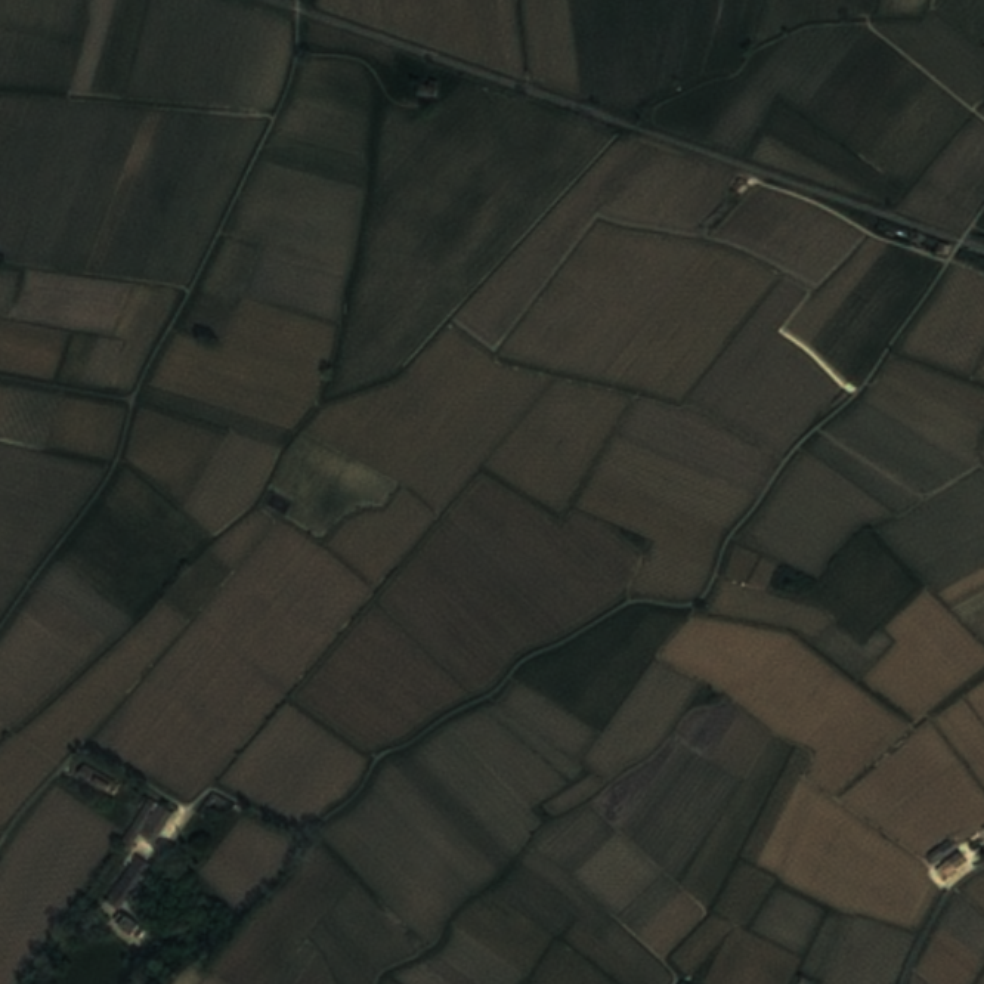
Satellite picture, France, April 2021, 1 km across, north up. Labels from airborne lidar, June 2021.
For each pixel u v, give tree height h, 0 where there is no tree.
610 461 0
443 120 0
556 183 0
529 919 0
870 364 0
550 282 0
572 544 0
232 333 0
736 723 0
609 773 0
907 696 0
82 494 0
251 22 0
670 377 0
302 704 0
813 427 0
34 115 0
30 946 0
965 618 0
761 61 0
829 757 0
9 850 0
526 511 0
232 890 0
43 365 0
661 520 0
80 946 21
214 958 25
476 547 0
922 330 0
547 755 0
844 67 0
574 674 0
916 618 0
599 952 0
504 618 0
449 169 0
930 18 0
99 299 0
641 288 0
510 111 0
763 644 0
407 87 0
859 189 0
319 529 0
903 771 0
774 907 0
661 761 0
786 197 0
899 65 0
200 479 0
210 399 0
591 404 0
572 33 0
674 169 0
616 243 0
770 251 0
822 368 0
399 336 0
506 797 0
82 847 0
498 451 0
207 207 0
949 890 0
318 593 0
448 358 0
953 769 0
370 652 0
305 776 0
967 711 0
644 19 0
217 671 0
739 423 0
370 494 0
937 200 0
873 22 0
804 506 0
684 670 0
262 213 0
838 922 0
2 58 0
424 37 0
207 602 0
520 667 0
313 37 0
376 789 0
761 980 0
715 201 0
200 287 0
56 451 0
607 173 0
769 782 0
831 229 0
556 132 0
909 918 0
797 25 0
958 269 0
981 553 0
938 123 0
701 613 11
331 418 0
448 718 0
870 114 0
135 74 0
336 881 0
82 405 0
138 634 0
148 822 0
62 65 0
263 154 0
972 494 0
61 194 0
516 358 0
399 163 0
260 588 0
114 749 0
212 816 8
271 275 0
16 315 0
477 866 0
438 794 0
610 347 0
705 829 0
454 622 0
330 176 0
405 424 0
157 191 0
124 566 0
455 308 0
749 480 0
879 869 0
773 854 0
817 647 0
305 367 0
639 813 0
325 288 0
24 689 0
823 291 0
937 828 0
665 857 0
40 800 0
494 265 0
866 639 0
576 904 0
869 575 0
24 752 0
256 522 0
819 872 0
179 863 26
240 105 0
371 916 0
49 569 0
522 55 0
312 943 0
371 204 0
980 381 0
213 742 0
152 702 0
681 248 0
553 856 0
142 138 0
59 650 0
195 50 0
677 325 0
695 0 0
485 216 0
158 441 0
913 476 0
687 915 0
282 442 0
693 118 0
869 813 0
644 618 0
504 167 0
